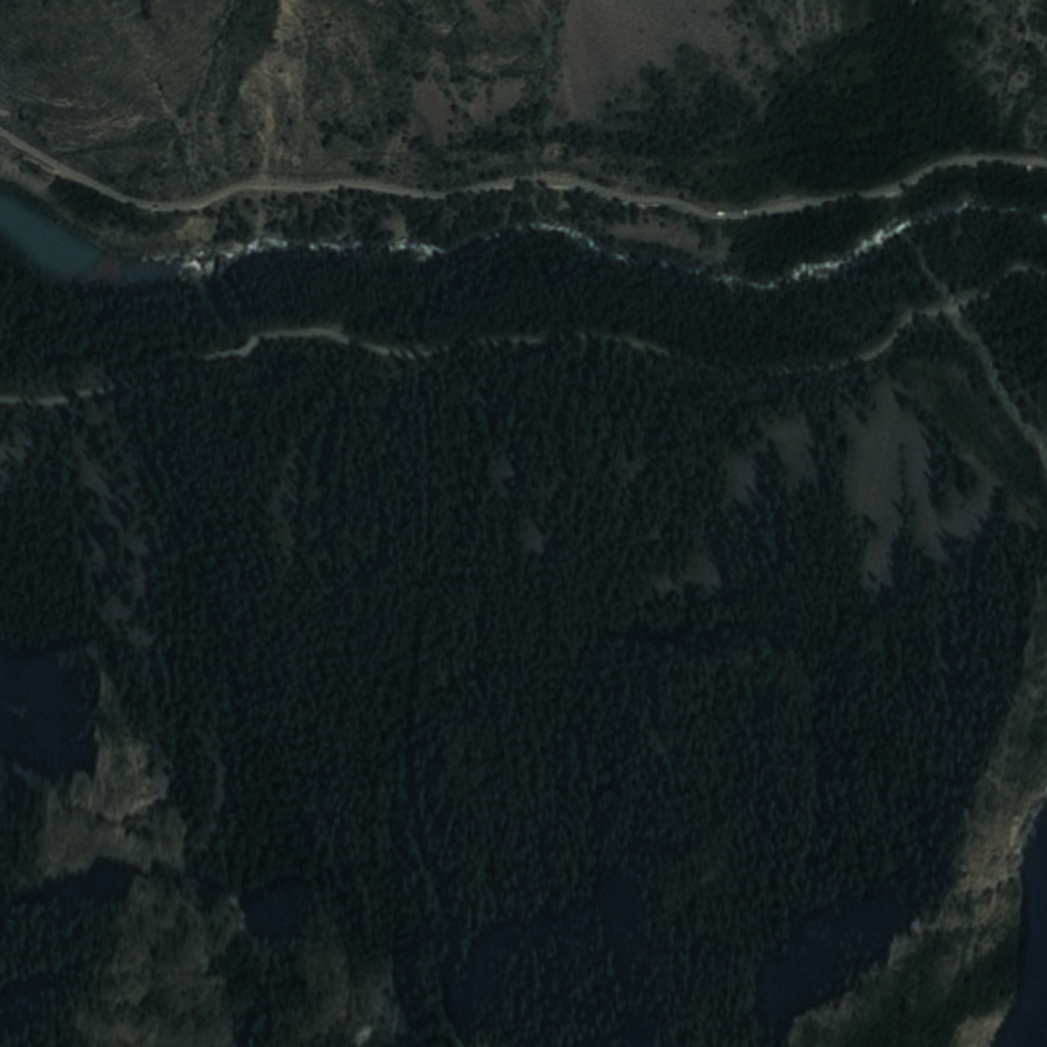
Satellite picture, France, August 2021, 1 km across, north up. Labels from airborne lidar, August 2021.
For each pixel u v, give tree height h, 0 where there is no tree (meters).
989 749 13
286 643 24
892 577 0
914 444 0
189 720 14
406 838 26
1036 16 8
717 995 19
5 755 21
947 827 9
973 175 13
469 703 22
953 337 11
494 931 12
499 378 19
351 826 27
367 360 29
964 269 10
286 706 27
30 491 7
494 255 21
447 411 11
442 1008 11
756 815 7
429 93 0
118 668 25
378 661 27
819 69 9
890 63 14
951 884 15
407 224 7
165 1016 7
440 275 26
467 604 29
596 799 12
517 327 16
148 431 11
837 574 15
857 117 15
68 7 0
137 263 0
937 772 7
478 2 0
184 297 24
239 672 13
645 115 6
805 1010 16
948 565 0
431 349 14
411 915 9
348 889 14
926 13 9
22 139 0
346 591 11
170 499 14
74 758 9
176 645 15
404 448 6
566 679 15
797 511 13
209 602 14
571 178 0
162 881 11
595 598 14
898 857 13
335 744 25
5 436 16
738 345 25
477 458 13
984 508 0
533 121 9
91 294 8
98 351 25
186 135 7
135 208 10
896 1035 7
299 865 15
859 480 0
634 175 9
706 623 24
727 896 13
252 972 7
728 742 9
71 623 21
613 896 9
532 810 28
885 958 7
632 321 17
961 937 8
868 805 24
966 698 34
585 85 0
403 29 9
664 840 15
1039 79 7
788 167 15
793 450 0
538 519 12
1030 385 11
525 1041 18
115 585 11
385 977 0
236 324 21
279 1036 18
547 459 12
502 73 7
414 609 18
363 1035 0
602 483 11
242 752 10
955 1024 9
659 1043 13
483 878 24
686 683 19
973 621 17
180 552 11
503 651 28
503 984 13
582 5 0
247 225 9
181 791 10
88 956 18
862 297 10
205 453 22
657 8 0
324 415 9
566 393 10
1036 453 6
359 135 9
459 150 9
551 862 28
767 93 11
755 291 21
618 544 7
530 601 14
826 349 10
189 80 0
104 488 0
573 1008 9
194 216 10
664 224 9
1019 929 9
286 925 10
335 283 28
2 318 18
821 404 28
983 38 11
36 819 12
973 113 11
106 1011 7
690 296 22
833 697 13
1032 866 0
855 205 16
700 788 23
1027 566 27
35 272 7
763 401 9
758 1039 7
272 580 21
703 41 0
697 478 13
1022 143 8
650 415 12
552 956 22
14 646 8
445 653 20
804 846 28
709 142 13
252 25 6
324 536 7
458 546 12
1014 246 12
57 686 6
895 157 18
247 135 9
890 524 0
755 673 6
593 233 8
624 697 26
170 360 14
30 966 14
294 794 24
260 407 12
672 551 10
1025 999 0
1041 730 9
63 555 20
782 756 9
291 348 7
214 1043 0
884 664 8
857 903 26
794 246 19
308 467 11
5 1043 10
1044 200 15
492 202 20
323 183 0
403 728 15
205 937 8
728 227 9
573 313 26
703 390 7
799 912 21
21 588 14
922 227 12
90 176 0
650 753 12
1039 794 0
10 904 9
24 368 17
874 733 18
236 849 19
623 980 10
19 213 0
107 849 0
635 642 9
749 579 11
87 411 18
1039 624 9
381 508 14
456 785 9
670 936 24
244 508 21
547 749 11
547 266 21
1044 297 9
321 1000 5
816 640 16
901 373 12
